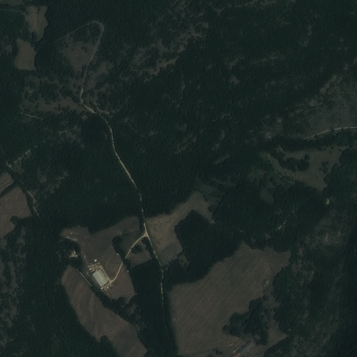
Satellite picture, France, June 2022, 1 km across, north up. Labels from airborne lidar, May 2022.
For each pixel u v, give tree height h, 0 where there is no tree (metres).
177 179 13
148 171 12
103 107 7
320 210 10
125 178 7
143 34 7
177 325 0
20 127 8
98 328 0
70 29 8
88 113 9
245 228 10
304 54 7
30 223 9
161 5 6
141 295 13
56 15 10
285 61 6
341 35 9
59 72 8
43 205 7
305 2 9
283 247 13
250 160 11
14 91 11
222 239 14
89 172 8
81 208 8
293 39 9
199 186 0
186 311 0
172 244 0
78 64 0
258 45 10
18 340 8
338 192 13
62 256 9
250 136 9
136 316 10
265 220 11
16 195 0
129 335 0
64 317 11
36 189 6
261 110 9
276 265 0
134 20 7
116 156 8
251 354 0
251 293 0
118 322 0
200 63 9
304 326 7
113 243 7
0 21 10
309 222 9
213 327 0
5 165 7
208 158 11
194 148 11
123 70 9
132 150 10
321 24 10
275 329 0
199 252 10
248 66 8
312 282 12
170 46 6
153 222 0
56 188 7
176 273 15
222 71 9
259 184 7
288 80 8
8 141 11
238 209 14
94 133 16
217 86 8
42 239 8
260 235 13
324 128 0
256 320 11
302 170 11
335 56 9
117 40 9
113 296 0
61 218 11
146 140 9
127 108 8
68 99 0
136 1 9
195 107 8
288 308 10
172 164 13
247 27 7
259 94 7
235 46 7
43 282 10
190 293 0
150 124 8
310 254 5
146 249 9
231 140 9
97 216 17
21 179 8
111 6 9
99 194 9
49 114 9
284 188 12
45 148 8
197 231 15
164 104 12
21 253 8
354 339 28
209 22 9
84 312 0
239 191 16
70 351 9
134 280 14
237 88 12
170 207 10
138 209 12
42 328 9
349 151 19
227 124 14
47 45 14
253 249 8
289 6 6
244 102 9
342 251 5
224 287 0
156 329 11
